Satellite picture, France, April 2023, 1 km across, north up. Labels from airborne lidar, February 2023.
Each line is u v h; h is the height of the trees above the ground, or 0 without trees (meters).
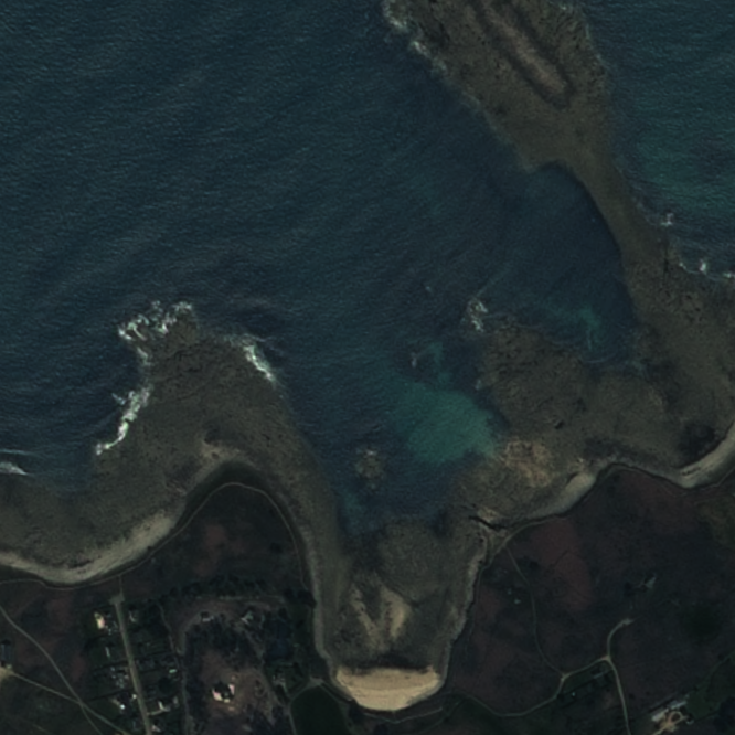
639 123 0
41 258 0
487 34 0
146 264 0
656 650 0
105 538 0
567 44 0
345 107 0
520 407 0
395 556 0
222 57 0
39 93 0
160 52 0
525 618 0
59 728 0
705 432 0
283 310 0
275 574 0
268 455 0
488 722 0
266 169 0
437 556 0
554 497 0
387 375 0
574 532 0
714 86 0
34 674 0
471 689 0
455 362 0
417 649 0
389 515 0
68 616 0
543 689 0
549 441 0
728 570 0
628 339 0
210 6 0
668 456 0
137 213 0
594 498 0
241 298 0
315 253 0
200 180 0
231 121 0
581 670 0
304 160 0
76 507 0
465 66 0
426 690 0
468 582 0
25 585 0
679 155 0
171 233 0
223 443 0
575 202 0
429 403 0
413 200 0
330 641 0
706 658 0
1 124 0
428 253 0
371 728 0
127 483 0
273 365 0
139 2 0
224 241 0
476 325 0
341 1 0
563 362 0
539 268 0
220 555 0
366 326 0
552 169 0
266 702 0
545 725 0
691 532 0
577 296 0
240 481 0
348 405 0
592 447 0
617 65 0
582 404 0
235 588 15
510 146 0
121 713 0
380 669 0
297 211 0
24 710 0
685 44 0
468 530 0
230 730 0
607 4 0
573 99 0
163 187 0
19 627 0
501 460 0
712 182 0
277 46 0
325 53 0
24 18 0
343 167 0
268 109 0
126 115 0
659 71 0
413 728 0
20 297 0
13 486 0
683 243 0
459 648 0
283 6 0
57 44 0
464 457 0
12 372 0
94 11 0
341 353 0
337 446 0
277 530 0
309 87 0
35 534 0
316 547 0
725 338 0
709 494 0
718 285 0
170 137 0
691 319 0
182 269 0
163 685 11
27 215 0
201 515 0
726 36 0
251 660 21
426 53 0
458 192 0
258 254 0
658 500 0
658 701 0
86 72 0
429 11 0
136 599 0
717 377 0
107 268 0
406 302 0
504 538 0
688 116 0
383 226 0
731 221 0
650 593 0
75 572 0
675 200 0
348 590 0
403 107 0
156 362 0
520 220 0
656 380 0
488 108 0
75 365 0
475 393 0
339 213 0
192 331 0
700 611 0
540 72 0
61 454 0
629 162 0
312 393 0
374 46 0
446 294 0
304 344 0
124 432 0
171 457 0
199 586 10
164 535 0
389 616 0
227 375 0
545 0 0
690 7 0
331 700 0
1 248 0
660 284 0
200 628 0
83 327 0
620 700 0
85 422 0
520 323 0
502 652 0
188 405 0
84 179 0
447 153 0
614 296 0
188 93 0
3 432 0
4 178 0
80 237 0
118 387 0
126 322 0
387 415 0
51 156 0
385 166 0
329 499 0
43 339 0
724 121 0
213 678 0
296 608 0
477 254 0
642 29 0
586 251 0
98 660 0
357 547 0
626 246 0
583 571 0
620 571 0
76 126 0
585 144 0
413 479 0
